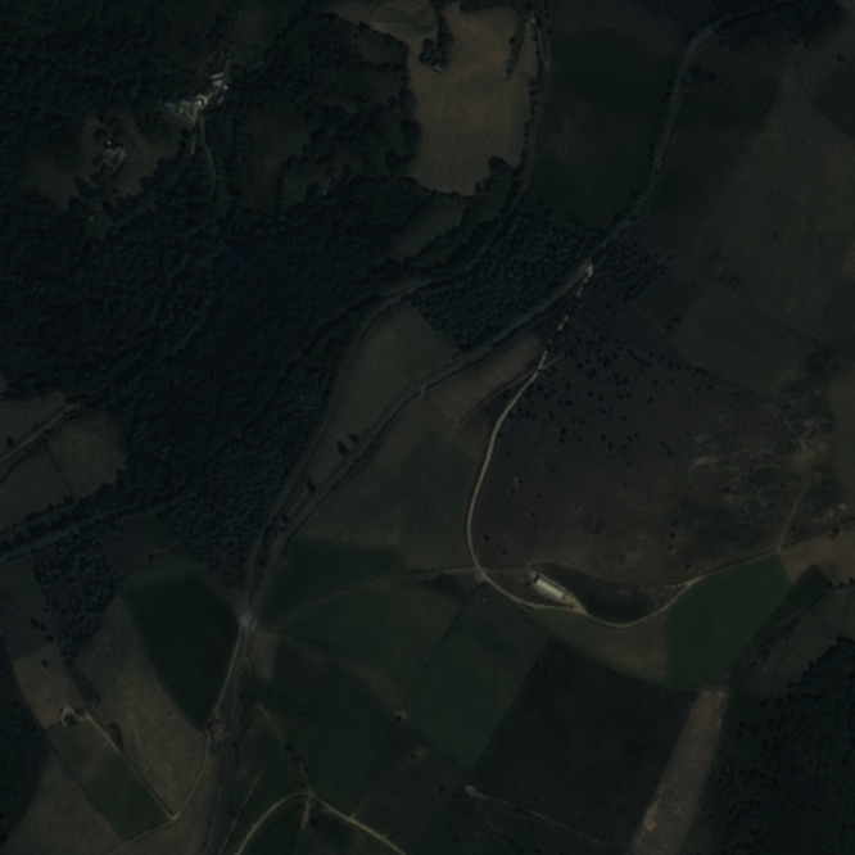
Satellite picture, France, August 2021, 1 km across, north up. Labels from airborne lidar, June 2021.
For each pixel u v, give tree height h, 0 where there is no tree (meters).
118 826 0
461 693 0
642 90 0
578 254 14
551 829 0
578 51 0
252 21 0
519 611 0
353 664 0
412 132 17
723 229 0
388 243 19
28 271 16
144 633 0
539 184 0
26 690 0
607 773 0
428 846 0
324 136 20
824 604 0
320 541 0
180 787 0
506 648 0
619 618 0
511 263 14
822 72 0
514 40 6
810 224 0
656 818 0
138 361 7
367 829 0
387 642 0
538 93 12
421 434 0
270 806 0
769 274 0
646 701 0
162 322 12
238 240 10
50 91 30
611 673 0
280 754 0
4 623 0
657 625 0
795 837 18
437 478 0
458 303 9
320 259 22
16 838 0
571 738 0
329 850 0
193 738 0
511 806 0
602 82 0
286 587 0
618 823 0
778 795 18
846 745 27
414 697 0
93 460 0
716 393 0
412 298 6
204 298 15
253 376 21
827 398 0
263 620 0
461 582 0
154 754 0
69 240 22
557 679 0
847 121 0
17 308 13
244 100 10
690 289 0
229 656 0
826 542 0
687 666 0
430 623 0
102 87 36
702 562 0
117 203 0
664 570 0
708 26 8
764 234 0
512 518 0
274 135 0
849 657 19
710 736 0
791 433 0
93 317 24
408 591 0
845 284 0
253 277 25
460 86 0
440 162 0
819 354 0
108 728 0
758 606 0
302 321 22
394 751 0
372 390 0
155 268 14
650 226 0
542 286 13
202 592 0
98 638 0
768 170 0
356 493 0
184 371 23
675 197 0
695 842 0
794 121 0
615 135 0
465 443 0
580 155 0
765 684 0
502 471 0
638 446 0
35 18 20
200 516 8
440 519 0
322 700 0
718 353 0
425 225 0
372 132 19
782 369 0
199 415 21
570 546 0
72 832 0
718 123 0
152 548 0
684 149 0
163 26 20
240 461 12
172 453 12
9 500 0
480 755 0
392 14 0
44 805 0
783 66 0
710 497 0
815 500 0
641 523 0
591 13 0
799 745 13
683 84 8
